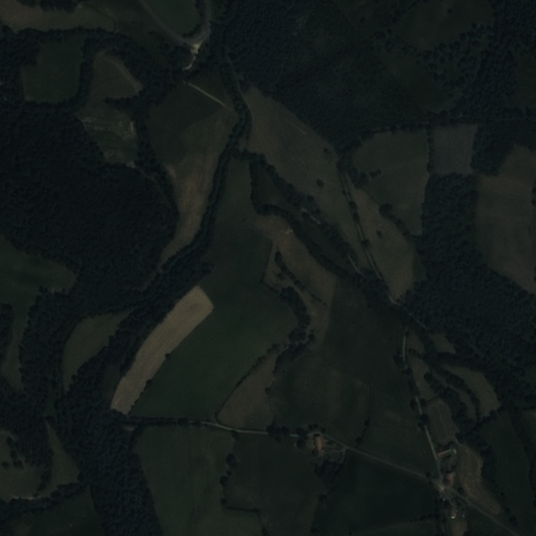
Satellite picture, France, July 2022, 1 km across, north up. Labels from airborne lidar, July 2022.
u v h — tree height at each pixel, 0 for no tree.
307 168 0
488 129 18
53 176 18
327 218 0
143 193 18
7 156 24
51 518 0
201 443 0
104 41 12
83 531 0
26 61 19
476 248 8
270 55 18
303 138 0
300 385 0
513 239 0
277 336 0
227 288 0
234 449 0
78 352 0
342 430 0
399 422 0
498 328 18
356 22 0
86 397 15
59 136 15
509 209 0
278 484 0
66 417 15
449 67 0
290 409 0
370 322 0
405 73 0
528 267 0
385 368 0
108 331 0
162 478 0
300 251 0
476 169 12
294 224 13
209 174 0
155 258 17
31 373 18
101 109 0
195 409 0
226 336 0
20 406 7
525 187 0
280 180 17
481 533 0
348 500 0
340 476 16
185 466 0
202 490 0
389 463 0
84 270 18
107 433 7
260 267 0
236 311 0
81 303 16
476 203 8
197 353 0
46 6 19
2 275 0
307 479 0
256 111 0
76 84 0
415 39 0
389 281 0
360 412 0
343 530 0
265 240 0
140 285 20
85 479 15
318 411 0
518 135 17
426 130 10
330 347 0
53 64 0
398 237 0
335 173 0
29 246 20
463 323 10
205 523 0
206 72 12
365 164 0
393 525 0
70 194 20
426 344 13
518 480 0
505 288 17
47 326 15
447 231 15
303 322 8
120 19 0
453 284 19
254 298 0
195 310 0
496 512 0
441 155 0
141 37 0
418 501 0
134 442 14
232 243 0
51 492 0
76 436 17
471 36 17
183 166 0
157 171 15
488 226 0
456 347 9
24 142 21
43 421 19
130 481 17
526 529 0
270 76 26
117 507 22
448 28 0
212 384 0
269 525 0
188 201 0
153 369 0
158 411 0
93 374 8
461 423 17
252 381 0
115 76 0
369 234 0
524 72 0
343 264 0
